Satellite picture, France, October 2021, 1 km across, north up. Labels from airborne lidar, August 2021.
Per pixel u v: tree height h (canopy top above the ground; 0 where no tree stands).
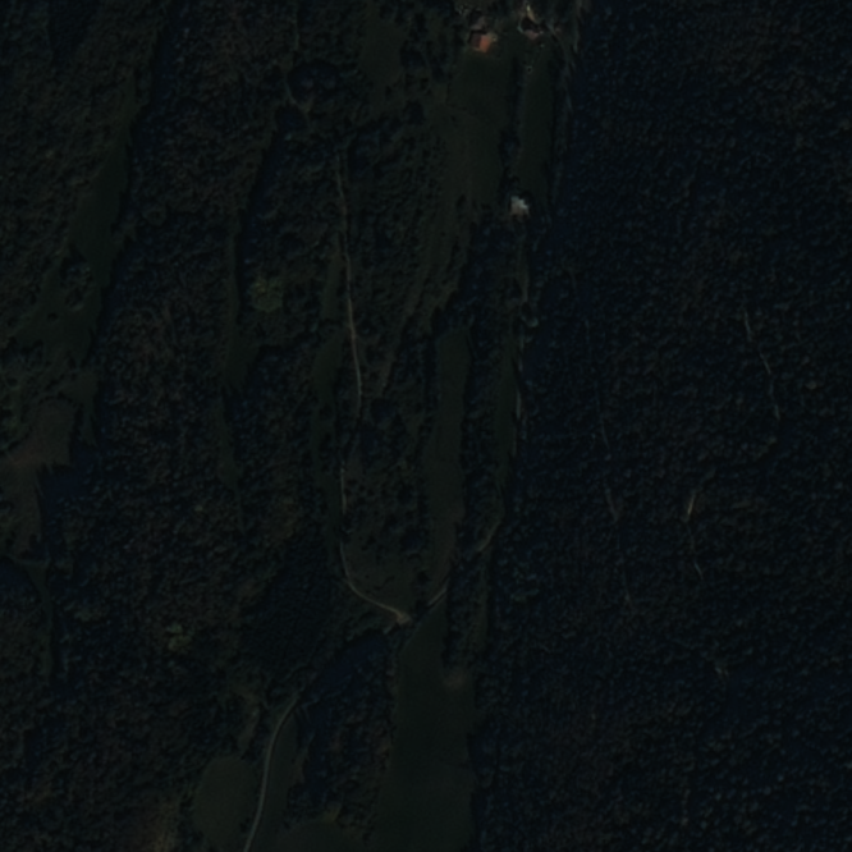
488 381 13
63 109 17
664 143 23
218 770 0
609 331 18
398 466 27
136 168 18
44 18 21
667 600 9
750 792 23
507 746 15
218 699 14
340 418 7
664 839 13
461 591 13
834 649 21
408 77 12
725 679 0
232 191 22
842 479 12
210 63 19
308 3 20
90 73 16
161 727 21
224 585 26
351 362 9
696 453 23
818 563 14
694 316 17
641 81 26
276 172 16
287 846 0
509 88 0
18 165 18
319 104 19
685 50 19
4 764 25
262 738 13
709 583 22
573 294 10
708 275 13
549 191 17
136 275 9
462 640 13
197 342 15
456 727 0
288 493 21
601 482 17
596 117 22
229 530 9
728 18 14
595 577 20
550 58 0
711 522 14
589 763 16
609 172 21
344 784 13
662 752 14
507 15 22
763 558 14
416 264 6
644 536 15
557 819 22
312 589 23
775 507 21
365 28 7
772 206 20
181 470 20
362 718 15
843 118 19
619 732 13
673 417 17
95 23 20
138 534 24
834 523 29
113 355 11
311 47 8
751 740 14
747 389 6
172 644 24
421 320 8
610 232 23
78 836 19
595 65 13
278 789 0
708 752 7
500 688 21
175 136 21
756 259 22
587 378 18
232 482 0
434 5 17
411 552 15
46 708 7
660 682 18
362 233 15
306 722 0
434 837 0
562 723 21
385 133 7
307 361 25
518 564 21
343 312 7
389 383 6
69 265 6
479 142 0
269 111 16
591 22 13
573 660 20
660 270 16
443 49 15
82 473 25
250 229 9
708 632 21
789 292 16
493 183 0
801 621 11
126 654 24
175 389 25
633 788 12
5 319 15
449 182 0
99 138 17
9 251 9
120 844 19
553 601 20
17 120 17
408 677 0
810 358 11
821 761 8
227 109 24
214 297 20
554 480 15
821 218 27
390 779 0
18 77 19
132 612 21
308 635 23
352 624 7
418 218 12
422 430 7
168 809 6
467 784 0
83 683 19
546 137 0
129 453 21
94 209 0
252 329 6
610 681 20
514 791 17
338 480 9
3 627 20
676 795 14
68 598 13
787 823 23
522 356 0
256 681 13
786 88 18
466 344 0
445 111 0
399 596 0
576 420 17
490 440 11
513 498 17
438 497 0
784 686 25
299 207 15
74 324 0
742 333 7
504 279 11
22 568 0
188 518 20
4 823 24
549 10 17
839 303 15
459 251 13
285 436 21
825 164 27
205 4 19
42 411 0
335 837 0
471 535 11
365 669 15
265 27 19
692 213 13
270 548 8
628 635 20
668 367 14
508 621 20
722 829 30
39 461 0
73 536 20
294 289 6
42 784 17
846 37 20
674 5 18
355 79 9
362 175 20
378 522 6
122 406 16
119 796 21
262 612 24
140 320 20
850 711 25
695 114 25
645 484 15
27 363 12
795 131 11
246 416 12
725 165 10
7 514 18
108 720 20
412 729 0
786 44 19
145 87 8
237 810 0
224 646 25
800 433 22
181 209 12
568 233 18
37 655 13
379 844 0
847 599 13
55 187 15
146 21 21
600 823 14
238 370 0
